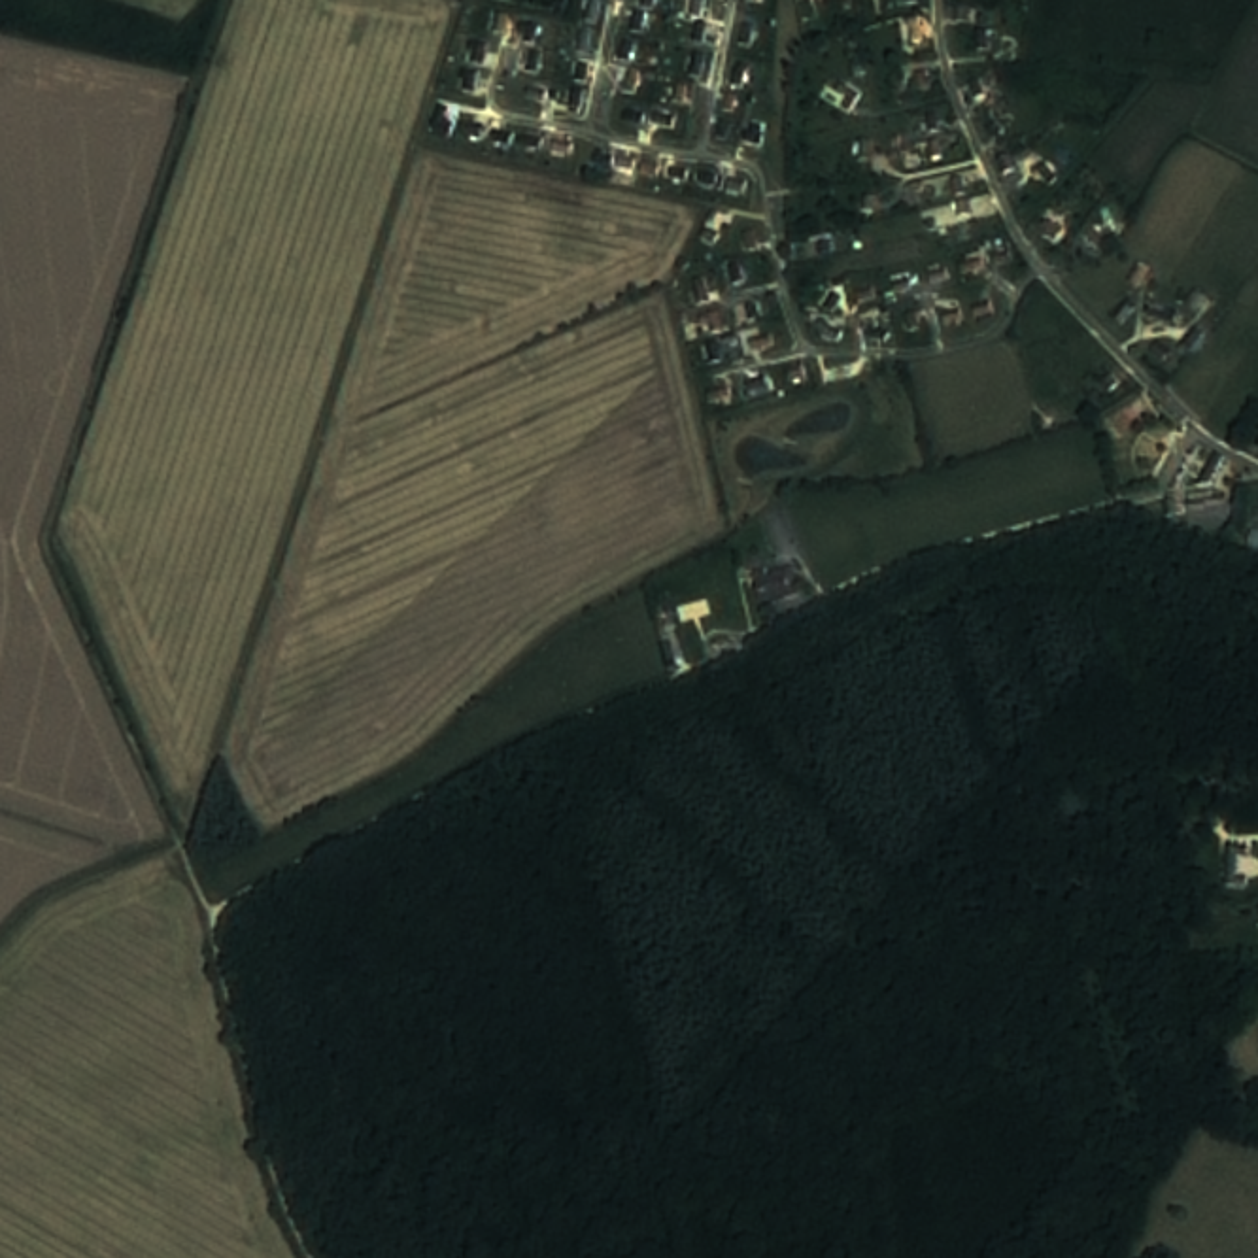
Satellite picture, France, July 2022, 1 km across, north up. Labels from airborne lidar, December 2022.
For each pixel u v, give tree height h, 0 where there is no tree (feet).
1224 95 0
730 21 0
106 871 0
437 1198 74
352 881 84
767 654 48
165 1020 0
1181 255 0
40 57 0
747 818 49
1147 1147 69
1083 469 0
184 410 0
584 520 0
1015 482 0
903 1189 39
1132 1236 64
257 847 47
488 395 0
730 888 57
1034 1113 57
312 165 0
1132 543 72
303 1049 78
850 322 0
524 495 0
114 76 0
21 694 0
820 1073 67
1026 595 61
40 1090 0
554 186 0
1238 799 32
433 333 0
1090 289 0
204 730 0
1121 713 57
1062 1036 81
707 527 0
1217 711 61
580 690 0
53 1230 0
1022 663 58
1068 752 51
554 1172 69
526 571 0
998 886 83
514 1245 59
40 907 0
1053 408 0
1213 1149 0
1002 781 60
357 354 0
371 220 0
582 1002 69
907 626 63
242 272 0
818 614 40
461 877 67
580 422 0
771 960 61
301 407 0
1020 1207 33
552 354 0
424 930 68
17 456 0
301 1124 77
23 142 0
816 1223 88
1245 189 0
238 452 0
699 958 62
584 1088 34
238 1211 0
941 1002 77
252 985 51
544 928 69
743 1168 75
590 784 43
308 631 0
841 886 60
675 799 63
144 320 0
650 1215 68
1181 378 0
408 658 0
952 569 58
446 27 0
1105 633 57
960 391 0
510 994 67
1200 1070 64
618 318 0
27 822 0
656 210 0
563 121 0
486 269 0
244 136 0
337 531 0
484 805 64
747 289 0
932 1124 42
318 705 0
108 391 0
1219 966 44
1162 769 50
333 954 68
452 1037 73
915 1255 43
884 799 62
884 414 0
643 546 0
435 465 0
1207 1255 0
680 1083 68
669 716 45
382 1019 60
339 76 0
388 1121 70
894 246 0
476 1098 50
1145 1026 67
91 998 0
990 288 0
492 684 0
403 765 0
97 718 0
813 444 0
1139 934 99
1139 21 0
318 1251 39
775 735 47
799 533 0
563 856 60
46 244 0
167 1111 0
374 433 0
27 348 0
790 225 26
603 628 0
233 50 0
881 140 0
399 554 0
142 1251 0
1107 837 70
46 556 0
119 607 0
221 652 0
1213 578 63
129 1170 0
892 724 59
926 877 79
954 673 61
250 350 0
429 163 0
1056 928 86
